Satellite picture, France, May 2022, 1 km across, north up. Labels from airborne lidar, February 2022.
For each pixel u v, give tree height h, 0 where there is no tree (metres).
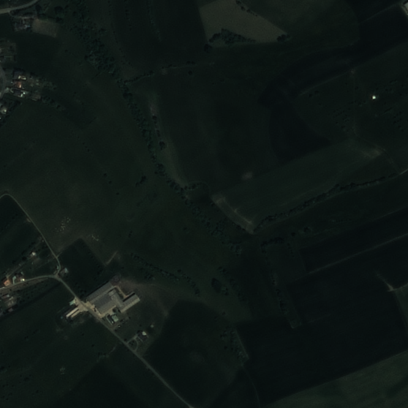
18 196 0
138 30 0
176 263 0
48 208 0
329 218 0
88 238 0
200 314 0
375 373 0
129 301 0
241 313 0
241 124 0
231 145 0
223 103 0
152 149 14
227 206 0
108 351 0
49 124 0
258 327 0
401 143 0
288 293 0
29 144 0
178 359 0
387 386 0
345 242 0
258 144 0
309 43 0
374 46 0
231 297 0
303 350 0
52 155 0
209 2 0
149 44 0
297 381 0
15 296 0
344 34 0
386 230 0
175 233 0
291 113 0
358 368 0
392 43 0
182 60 0
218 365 0
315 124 0
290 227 0
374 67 0
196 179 0
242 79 0
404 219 0
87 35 9
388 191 0
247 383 0
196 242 0
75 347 0
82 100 0
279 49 0
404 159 0
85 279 0
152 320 0
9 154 0
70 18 0
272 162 0
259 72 0
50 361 0
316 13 0
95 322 0
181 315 0
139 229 0
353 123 0
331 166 0
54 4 0
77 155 0
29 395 0
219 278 0
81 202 0
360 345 0
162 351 0
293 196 0
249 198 0
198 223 0
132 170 0
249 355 0
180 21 0
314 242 0
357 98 0
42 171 0
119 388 0
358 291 0
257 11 0
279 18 0
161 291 0
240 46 0
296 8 0
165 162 0
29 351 0
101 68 12
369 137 0
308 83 0
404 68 0
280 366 0
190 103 0
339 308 0
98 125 0
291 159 0
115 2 0
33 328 0
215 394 0
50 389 0
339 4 0
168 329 0
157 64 0
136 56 0
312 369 0
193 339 0
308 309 0
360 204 0
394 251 0
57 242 0
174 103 0
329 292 0
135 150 0
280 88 0
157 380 0
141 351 0
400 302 0
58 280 0
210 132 0
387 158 0
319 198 8
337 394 0
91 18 0
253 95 0
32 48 0
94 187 0
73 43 0
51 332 0
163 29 0
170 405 0
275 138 0
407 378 0
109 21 0
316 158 0
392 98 0
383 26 0
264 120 0
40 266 0
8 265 0
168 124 0
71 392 0
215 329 0
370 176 0
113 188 0
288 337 0
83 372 0
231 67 0
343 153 0
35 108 0
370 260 0
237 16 0
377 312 0
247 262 0
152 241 0
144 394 0
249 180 0
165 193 0
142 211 0
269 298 0
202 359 0
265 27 0
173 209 0
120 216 0
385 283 0
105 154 0
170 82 0
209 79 0
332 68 0
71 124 0
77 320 0
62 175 0
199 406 0
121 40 0
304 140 0
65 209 0
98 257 0
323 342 0
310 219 0
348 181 0
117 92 0
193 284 6
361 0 0
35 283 0
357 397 0
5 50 0
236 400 0
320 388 0
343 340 0
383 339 0
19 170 0
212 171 0
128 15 6
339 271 0
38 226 0
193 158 0
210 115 0
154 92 0
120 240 0
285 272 0
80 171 0
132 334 0
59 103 0
